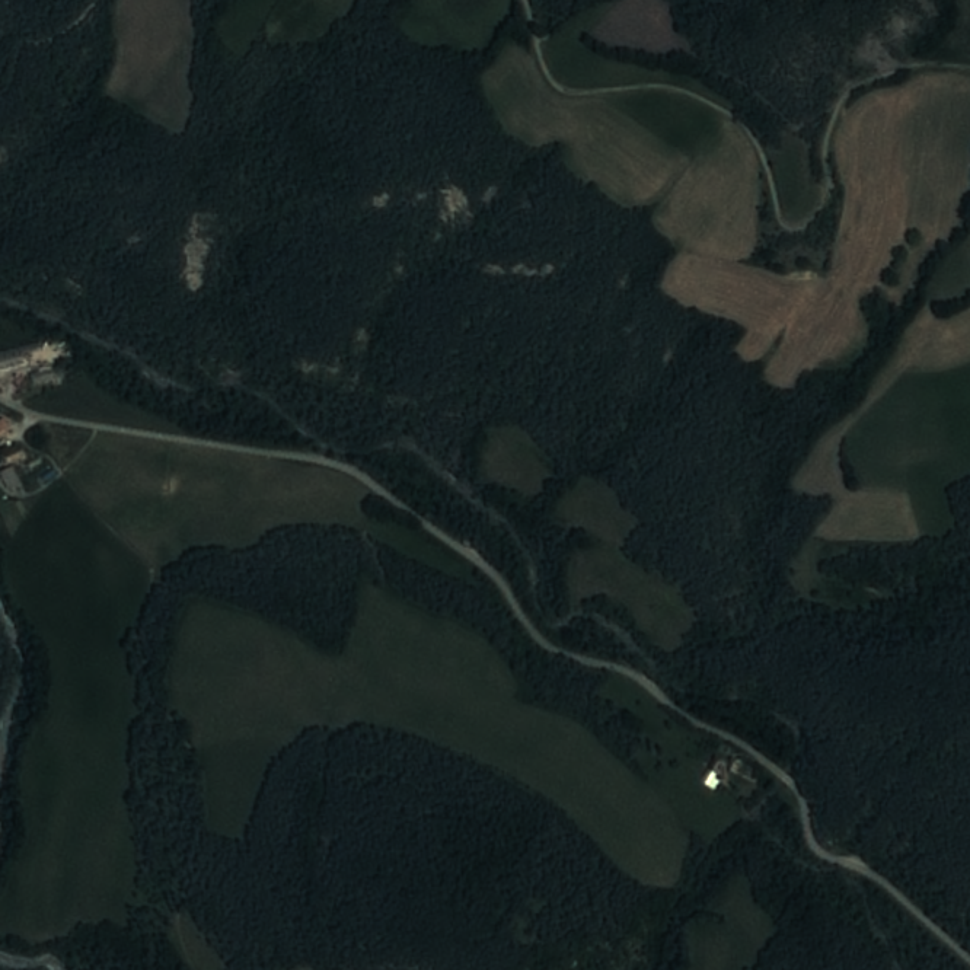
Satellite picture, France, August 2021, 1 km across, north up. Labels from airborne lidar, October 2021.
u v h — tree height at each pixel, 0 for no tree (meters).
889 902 12
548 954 10
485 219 9
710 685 10
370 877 11
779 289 0
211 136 13
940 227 0
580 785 0
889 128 0
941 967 10
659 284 7
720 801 0
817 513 13
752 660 13
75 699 0
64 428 0
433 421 11
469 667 0
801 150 0
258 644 0
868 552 10
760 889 16
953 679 11
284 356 9
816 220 8
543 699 11
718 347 12
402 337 14
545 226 7
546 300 8
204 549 12
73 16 9
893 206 0
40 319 8
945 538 8
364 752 12
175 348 12
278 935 11
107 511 0
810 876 11
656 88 0
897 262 10
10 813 16
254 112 8
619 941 10
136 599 0
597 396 10
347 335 10
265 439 16
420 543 0
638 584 0
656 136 0
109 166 10
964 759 11
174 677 0
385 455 9
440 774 13
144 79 0
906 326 10
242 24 0
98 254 10
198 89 12
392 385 8
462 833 16
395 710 0
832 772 12
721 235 0
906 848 6
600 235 7
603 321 6
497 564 16
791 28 9
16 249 15
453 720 0
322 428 14
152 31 0
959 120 0
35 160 11
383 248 8
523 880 15
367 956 7
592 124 0
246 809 0
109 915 0
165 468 0
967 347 0
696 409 10
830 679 8
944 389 0
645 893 11
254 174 14
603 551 0
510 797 11
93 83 10
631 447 8
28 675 21
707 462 8
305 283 13
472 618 10
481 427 11
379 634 0
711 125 0
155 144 13
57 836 0
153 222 7
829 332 0
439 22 0
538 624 8
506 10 0
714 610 14
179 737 12
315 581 9
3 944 8
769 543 10
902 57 6
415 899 15
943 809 13
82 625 0
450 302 12
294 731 0
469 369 9
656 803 0
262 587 14
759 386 11
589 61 0
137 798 12
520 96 0
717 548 7
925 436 0
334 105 9
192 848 12
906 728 9
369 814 10
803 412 12
